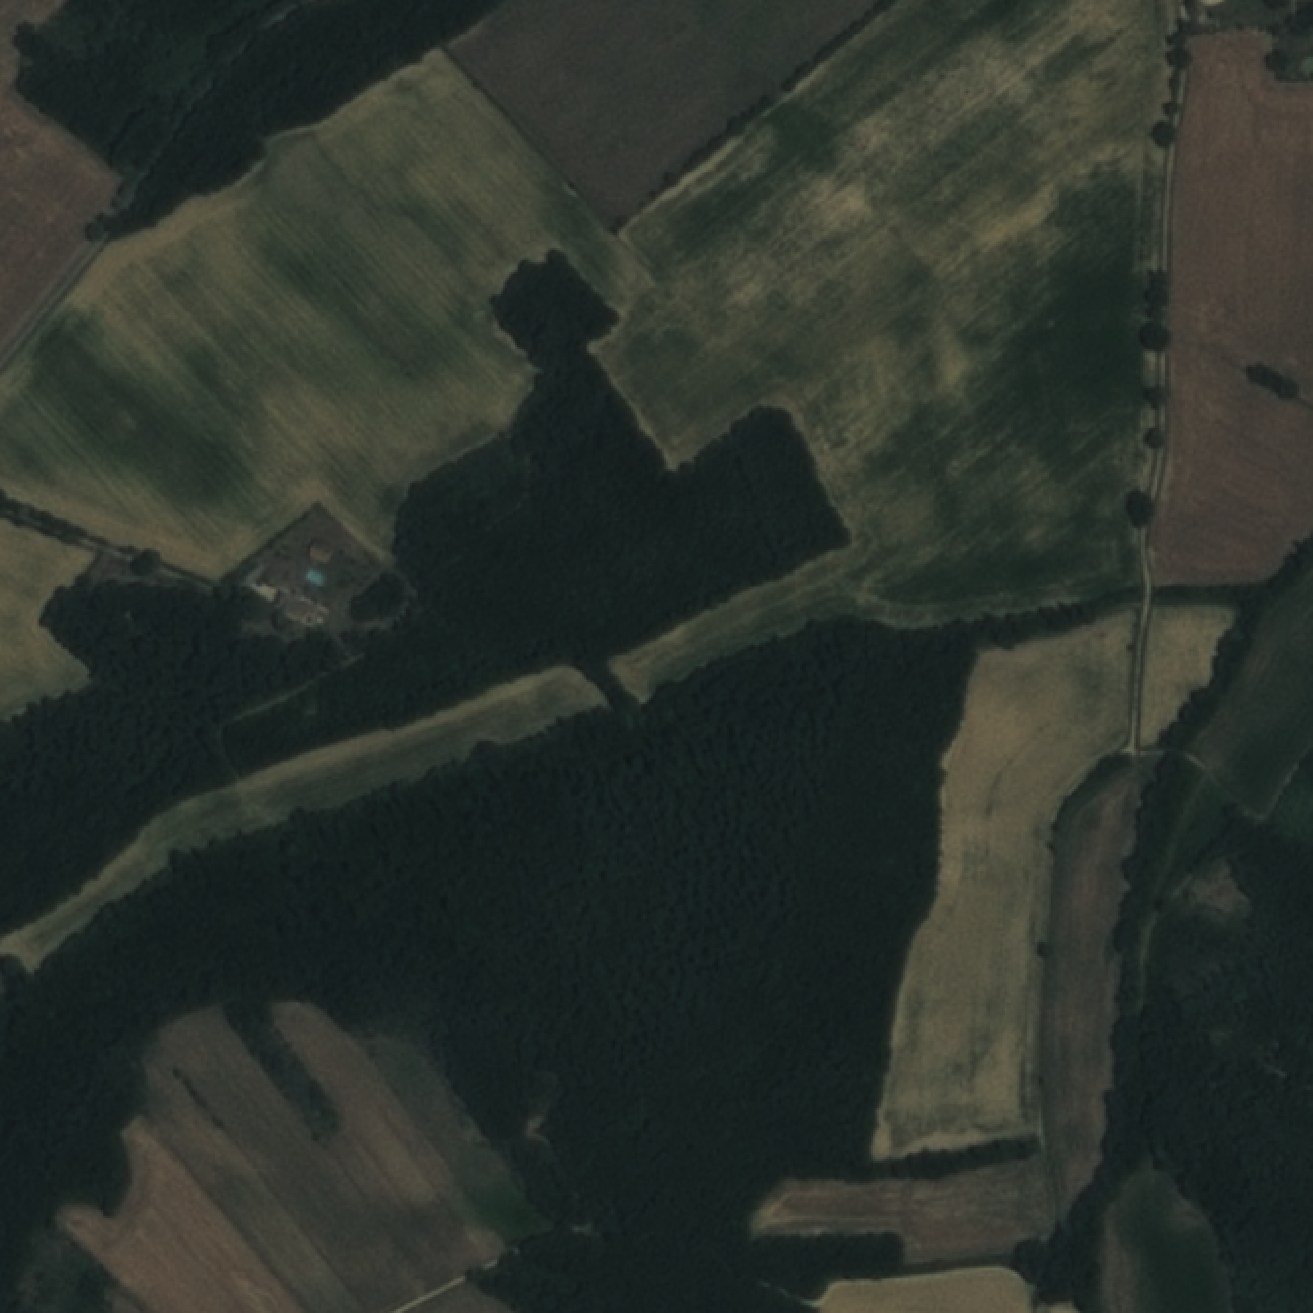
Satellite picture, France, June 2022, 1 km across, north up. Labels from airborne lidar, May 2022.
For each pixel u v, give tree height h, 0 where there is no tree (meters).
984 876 0
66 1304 0
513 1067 9
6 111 0
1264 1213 22
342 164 0
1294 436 0
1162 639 0
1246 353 0
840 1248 15
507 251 0
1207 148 0
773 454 14
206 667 24
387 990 12
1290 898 14
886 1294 0
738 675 22
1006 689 0
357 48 12
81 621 18
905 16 0
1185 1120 16
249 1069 0
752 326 0
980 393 0
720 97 0
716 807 15
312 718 6
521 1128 8
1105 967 0
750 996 15
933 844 12
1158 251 0
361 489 0
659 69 0
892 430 0
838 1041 16
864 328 0
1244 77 0
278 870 6
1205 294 0
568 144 0
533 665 21
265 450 0
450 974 8
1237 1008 13
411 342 0
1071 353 0
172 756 15
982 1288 0
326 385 0
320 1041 0
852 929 11
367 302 0
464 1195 0
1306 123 0
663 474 9
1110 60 0
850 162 0
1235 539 0
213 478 0
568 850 8
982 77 0
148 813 18
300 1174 0
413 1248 0
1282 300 0
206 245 0
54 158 0
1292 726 0
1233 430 0
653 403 0
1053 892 0
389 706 16
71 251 0
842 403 0
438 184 0
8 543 0
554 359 12
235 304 0
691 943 9
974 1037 0
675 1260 16
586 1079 11
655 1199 17
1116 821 0
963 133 0
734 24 0
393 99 0
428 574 19
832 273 0
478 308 0
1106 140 0
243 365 0
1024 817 0
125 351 0
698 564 7
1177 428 0
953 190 0
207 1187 0
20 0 0
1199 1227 0
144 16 12
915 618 0
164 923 6
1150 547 0
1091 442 0
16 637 0
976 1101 0
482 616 8
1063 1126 0
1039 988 0
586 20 0
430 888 10
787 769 16
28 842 17
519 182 0
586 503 7
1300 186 0
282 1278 0
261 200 0
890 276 0
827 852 14
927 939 0
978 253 0
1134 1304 0
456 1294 0
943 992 0
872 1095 17
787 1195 0
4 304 0
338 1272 0
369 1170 0
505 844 6
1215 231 0
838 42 8
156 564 13
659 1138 15
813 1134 22
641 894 10
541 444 14
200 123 13
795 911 14
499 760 27
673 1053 11
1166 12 0
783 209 0
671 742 23
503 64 0
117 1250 0
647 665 0
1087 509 0
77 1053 7
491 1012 13
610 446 19
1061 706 0
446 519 8
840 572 0
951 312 0
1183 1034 9
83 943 9
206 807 0
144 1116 0
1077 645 0
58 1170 21
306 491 0
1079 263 0
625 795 6
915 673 23
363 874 9
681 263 0
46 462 0
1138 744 0
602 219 0
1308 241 0
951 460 0
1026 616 8
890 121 0
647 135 0
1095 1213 25
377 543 0
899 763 11
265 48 12
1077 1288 25
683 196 0
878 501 0
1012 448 0
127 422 0
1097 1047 0
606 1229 13
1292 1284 17
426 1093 0
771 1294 12
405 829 7
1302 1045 11
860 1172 20
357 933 9
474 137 0
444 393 0
